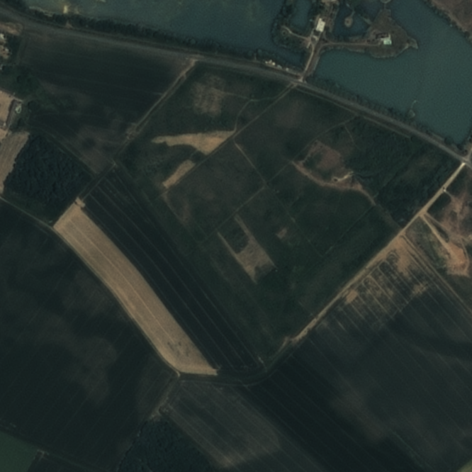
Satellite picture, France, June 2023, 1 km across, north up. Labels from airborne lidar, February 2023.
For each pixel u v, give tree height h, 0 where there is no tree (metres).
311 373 0
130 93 0
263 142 0
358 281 0
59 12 0
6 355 0
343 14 0
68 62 0
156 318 0
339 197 0
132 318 0
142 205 0
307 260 0
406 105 0
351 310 0
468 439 0
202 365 0
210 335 0
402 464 0
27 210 0
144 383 0
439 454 0
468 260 0
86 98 0
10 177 9
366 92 0
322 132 0
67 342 0
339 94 17
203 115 0
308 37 0
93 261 0
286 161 0
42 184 20
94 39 0
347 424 0
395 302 0
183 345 0
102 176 0
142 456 18
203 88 0
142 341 0
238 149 0
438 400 0
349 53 0
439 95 0
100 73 0
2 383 0
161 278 0
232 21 0
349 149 0
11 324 0
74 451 0
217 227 0
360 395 0
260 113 0
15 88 0
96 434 0
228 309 0
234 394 0
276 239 0
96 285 0
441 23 0
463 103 0
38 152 21
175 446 18
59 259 0
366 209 0
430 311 0
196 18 0
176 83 0
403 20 0
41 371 0
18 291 0
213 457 0
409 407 0
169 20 0
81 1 0
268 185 7
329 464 0
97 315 0
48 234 0
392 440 0
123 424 0
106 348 0
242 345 0
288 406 0
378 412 0
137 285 0
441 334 0
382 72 0
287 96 0
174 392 0
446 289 0
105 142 0
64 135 0
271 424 0
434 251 0
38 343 0
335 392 0
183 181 0
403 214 11
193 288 0
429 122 0
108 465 0
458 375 0
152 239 0
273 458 0
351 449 0
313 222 0
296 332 0
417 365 0
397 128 0
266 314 0
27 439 0
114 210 0
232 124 0
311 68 0
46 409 0
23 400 0
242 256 0
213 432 0
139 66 0
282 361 0
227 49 7
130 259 0
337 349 0
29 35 0
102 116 0
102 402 0
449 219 0
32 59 0
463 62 0
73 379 0
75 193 15
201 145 0
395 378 0
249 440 0
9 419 0
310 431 0
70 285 0
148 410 0
